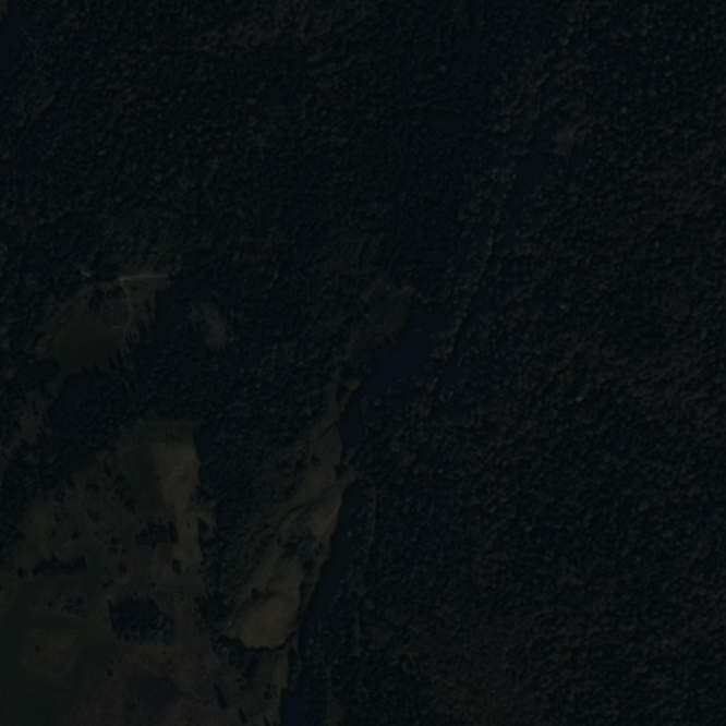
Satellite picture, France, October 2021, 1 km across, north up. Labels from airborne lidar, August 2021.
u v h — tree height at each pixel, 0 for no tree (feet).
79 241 99
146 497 0
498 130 65
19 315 25
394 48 40
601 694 52
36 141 45
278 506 43
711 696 43
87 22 41
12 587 0
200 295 80
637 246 64
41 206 66
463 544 56
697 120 69
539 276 60
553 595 21
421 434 82
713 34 68
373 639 78
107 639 0
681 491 80
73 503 0
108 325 0
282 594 0
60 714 0
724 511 64
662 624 49
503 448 51
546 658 50
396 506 60
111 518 0
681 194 66
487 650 47
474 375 57
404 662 55
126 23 56
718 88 73
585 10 53
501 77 90
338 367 35
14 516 73
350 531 71
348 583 78
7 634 0
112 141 53
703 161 53
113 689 0
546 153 47
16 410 60
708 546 30
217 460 67
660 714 55
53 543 0
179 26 60
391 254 72
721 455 81
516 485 61
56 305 74
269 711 0
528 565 20
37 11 68
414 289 40
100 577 0
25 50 73
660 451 81
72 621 0
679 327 47
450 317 73
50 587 0
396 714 67
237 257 56
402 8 79
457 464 43
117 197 70
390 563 55
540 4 78
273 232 70
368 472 53
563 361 82
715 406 54
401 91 77
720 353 83
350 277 62
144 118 51
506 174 77
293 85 64
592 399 59
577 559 30
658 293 67
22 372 24
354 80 22
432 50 91
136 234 47
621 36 66
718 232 60
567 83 52
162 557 0
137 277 0
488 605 34
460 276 83
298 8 54
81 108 22
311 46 50
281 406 58
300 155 81
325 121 51
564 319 75
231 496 67
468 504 67
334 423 0
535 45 81
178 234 59
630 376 75
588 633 65
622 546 39
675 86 57
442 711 80
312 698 68
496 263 72
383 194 82
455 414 65
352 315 57
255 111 34
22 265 18
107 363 0
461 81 99
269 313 63
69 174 41
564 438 65
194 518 0
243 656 76
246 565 27
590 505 68
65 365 0
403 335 0
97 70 34
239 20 37
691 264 61
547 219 41
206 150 80
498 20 83
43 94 36
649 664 31
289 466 30
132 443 0
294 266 94
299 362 66
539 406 84
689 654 77
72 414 73
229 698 0
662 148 62
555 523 72
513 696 67
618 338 60
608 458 90
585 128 52
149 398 70
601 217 45
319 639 72
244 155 36
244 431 86
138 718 0
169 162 51
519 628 60
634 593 22
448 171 100
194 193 24
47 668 0
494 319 50
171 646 33
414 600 68
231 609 49
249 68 72
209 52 35
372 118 25
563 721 63
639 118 18
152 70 55
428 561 46
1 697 0
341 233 54
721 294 58
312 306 61
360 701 67
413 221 71
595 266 69
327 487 0
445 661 47
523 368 38
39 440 0
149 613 37
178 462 0
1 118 50
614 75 88
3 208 22
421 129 98
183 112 49
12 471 51
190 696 0
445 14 95
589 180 63
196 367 102
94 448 73
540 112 50
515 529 33
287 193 73
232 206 70
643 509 73
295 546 28
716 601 25
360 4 57
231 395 87
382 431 82
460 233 83
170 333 100
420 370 25
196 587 0
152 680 0
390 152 19
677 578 71
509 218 54
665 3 78
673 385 60
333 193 46
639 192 67
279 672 0
